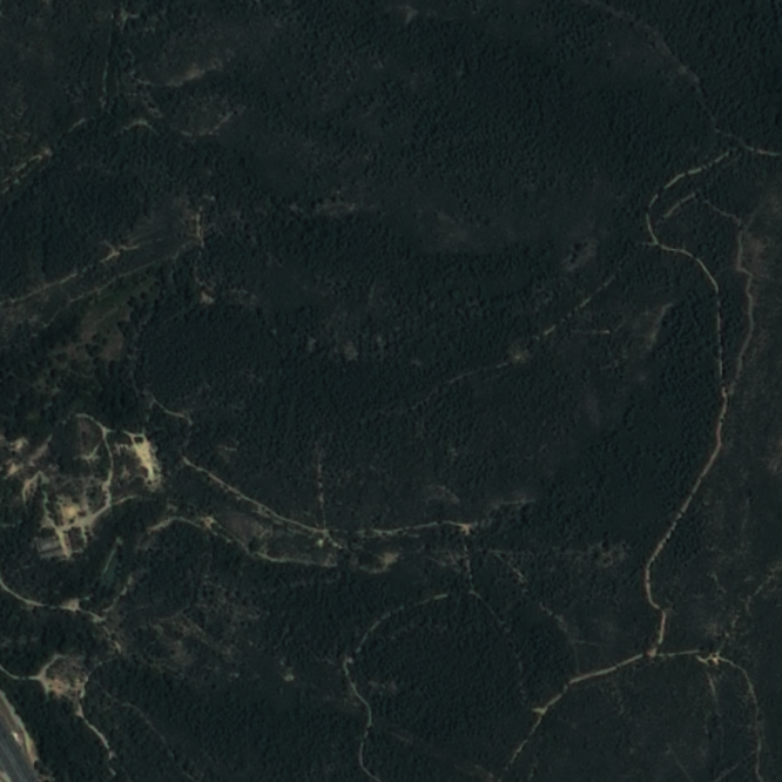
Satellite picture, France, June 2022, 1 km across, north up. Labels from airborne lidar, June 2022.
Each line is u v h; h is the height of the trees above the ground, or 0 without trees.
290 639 11
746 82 11
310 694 8
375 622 8
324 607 10
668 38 10
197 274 10
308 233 6
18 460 18
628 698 7
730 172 7
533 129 15
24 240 13
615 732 7
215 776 10
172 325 17
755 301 0
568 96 15
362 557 6
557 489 15
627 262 10
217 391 10
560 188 7
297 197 10
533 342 10
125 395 13
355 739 11
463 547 9
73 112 10
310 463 11
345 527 6
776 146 10
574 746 6
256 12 7
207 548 6
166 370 12
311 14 13
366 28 14
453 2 10
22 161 10
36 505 9
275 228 11
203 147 6
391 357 10
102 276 8
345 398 13
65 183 12
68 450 8
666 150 12
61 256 13
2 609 11
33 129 13
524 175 8
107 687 7
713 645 8
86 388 8
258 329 15
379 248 15
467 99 11
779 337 6
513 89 9
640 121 14
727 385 7
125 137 11
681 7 12
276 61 9
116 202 14
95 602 16
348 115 12
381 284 11
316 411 12
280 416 11
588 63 13
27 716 6
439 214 6
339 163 9
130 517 12
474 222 10
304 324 12
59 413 13
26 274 11
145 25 11
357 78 12
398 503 7
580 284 7
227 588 7
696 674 10
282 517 7
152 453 0
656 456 14
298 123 9
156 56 7
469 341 10
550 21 10
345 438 9
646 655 8
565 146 16
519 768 10
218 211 10
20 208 17
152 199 8
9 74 11
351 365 13
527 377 11
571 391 10
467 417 9
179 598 12
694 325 16
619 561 7
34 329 8
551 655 14
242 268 9
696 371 12
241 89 14
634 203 11
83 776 11
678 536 11
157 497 8
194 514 16
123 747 10
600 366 12
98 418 7
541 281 12
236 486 7
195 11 13
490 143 11
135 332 8
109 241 9
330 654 11
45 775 12
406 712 12
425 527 6
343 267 14
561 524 13
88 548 7
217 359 12
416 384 12
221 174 16
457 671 14
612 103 14
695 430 12
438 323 13
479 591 10
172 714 12
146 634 7
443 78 12
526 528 12
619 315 7
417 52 9
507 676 6
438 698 15
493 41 6
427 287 14
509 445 9
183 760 8
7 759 0
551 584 9
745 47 16
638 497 9
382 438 10
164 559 16
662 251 9
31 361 10
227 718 9
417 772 9
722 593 8
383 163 11
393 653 15
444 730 13
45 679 0
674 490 11
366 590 12
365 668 11
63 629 12
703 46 17
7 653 17
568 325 7
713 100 14
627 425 14
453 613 14
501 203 8
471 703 12
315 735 10
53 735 14
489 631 12
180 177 11
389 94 12
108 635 8
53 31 10
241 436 9
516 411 7
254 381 7
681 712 7
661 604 8
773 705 9
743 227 6
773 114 9
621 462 11
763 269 0
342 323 8
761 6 6
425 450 8
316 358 16
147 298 14
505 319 13
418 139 14
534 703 11
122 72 9
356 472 6
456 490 9
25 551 9
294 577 11
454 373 12
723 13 15
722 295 11
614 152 13
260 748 8
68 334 10
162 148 10
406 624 16
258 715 11
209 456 12
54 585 12
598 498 12
